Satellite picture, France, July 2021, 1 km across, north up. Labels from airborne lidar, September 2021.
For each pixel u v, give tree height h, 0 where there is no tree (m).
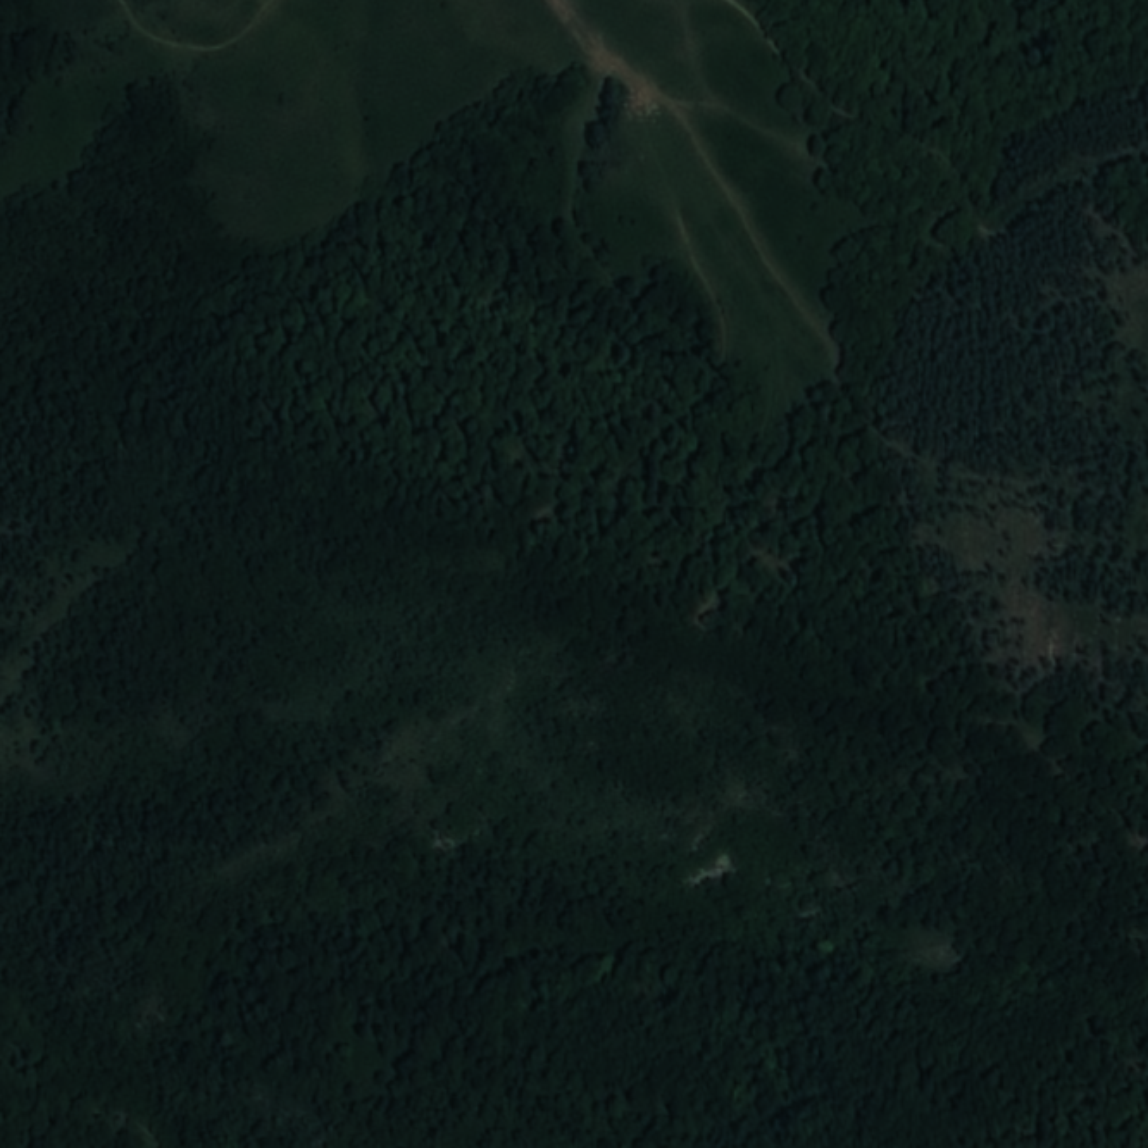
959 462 22
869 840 10
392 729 13
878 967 17
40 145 0
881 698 14
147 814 9
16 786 9
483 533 16
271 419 20
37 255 11
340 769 8
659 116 0
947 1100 28
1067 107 27
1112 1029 26
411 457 22
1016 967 26
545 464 22
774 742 16
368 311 22
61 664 17
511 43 0
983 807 21
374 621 9
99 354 21
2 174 0
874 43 27
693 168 0
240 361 19
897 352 21
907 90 24
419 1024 11
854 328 20
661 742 8
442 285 21
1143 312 0
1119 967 19
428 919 10
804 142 0
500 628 9
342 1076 10
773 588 18
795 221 0
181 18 0
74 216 15
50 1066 25
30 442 20
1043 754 10
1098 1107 23
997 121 28
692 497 25
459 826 8
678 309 22
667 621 8
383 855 14
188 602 9
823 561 20
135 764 7
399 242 21
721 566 24
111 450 7
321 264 23
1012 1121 25
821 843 7
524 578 6
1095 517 21
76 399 18
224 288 27
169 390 13
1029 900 9
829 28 32
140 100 16
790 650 14
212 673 6
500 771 7
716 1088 20
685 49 0
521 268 24
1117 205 18
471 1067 9
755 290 0
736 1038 17
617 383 19
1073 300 19
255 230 0
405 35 0
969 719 15
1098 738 19
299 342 23
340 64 0
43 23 9
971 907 14
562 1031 23
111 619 8
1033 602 0
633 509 22
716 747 7
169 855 16
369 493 18
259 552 8
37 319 7
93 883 14
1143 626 0
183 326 25
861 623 21
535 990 10
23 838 13
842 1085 20
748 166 0
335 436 23
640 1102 19
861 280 18
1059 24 37
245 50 0
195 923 14
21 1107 26
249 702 8
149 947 8
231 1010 20
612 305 22
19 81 8
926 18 25
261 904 9
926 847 16
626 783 7
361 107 0
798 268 0
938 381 23
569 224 16
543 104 25
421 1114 25
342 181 0
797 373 0
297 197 0
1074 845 23
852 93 31
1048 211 22
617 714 8
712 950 10
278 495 15
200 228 10
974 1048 26
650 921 9
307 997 23
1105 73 22
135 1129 10
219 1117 9
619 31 0
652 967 22
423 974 17
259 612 7
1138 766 17
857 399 24
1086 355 20
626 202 0
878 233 15
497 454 25
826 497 22
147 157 8
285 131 0
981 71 24
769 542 23
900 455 15
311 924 10
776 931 8
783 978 19
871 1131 23
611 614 16
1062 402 18
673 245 0
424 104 0
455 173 18
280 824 8
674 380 22
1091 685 19
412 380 23
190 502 10
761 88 0
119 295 27
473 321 20
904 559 19
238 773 7
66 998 15
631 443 22
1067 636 0
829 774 17
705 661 8
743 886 12
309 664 10
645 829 10
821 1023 17
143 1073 15
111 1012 10
